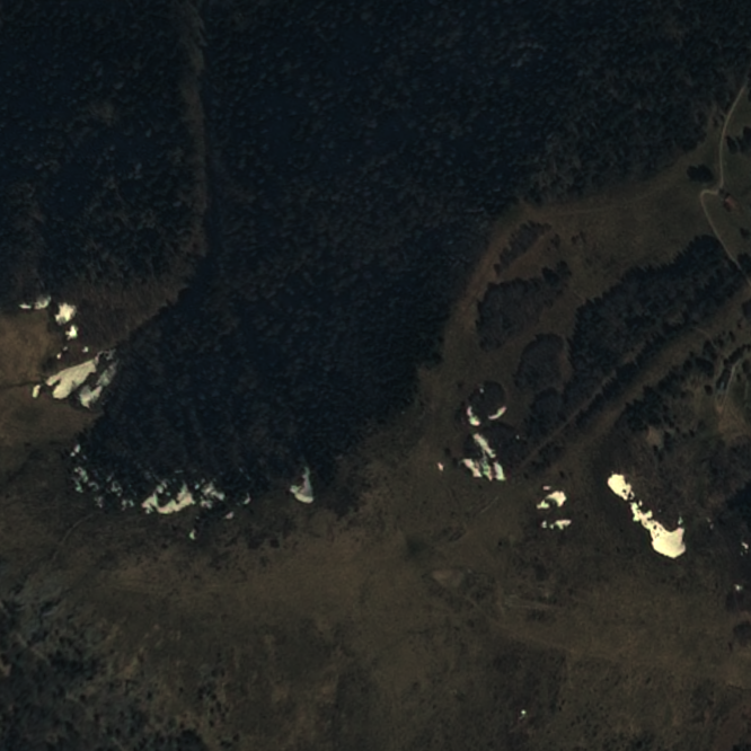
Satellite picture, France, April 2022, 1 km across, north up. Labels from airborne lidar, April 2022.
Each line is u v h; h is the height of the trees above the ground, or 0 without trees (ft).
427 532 0
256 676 0
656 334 0
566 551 0
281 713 0
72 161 41
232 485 31
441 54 100
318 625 0
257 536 0
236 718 0
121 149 134
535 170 29
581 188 44
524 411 0
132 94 120
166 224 60
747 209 0
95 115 61
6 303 31
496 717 0
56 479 0
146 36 74
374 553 0
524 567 0
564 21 95
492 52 77
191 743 56
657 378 0
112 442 26
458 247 60
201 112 0
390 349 59
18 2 110
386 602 0
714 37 24
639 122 70
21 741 21
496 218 50
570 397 37
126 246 45
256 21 94
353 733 0
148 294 94
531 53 84
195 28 74
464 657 0
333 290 76
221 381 75
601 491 0
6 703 39
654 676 0
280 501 0
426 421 0
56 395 0
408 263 60
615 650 0
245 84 86
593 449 0
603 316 31
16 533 0
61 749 45
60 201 72
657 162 80
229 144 61
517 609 0
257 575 0
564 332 0
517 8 60
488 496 0
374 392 43
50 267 40
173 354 51
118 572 0
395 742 0
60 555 0
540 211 0
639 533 0
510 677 0
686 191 0
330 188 80
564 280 25
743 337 0
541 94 73
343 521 0
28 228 35
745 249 0
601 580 0
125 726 33
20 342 0
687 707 0
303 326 80
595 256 0
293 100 85
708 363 65
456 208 29
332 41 55
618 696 0
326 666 0
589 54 65
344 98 88
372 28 64
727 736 0
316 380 59
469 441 20
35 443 0
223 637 0
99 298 56
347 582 0
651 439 0
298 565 0
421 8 62
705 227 0
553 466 24
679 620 0
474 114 89
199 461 33
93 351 42
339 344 61
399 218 74
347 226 62
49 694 42
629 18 58
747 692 0
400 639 0
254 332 48
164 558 0
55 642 17
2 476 0
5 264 52
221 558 0
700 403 0
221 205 65
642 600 0
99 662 20
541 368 45
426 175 89
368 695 0
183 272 59
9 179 39
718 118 35
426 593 0
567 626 0
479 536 0
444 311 53
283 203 92
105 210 92
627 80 21
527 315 61
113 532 0
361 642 0
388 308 40
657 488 23
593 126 81
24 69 88
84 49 87
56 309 32
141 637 0
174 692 0
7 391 0
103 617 0
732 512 20
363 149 89
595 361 30
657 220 0
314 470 52
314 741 0
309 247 88
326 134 86
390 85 88
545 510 0
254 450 37
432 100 94
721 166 0
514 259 42
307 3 22
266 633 0
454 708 0
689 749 0
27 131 103
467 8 65
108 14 88
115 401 48
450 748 0
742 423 0
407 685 0
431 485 0
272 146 55
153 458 28
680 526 0
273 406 33
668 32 48
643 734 0
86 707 29
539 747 0
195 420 56
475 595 0
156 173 111
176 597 0
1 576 0
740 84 47
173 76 95
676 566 0
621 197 0
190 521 0
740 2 57
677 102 61
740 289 35
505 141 66
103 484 27
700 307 50
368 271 62
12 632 29
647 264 0
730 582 0
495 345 39
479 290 0
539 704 0
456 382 0
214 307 93
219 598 0
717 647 0
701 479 0
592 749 0
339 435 40
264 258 50
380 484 0
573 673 0
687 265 43
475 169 84
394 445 0
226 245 82
